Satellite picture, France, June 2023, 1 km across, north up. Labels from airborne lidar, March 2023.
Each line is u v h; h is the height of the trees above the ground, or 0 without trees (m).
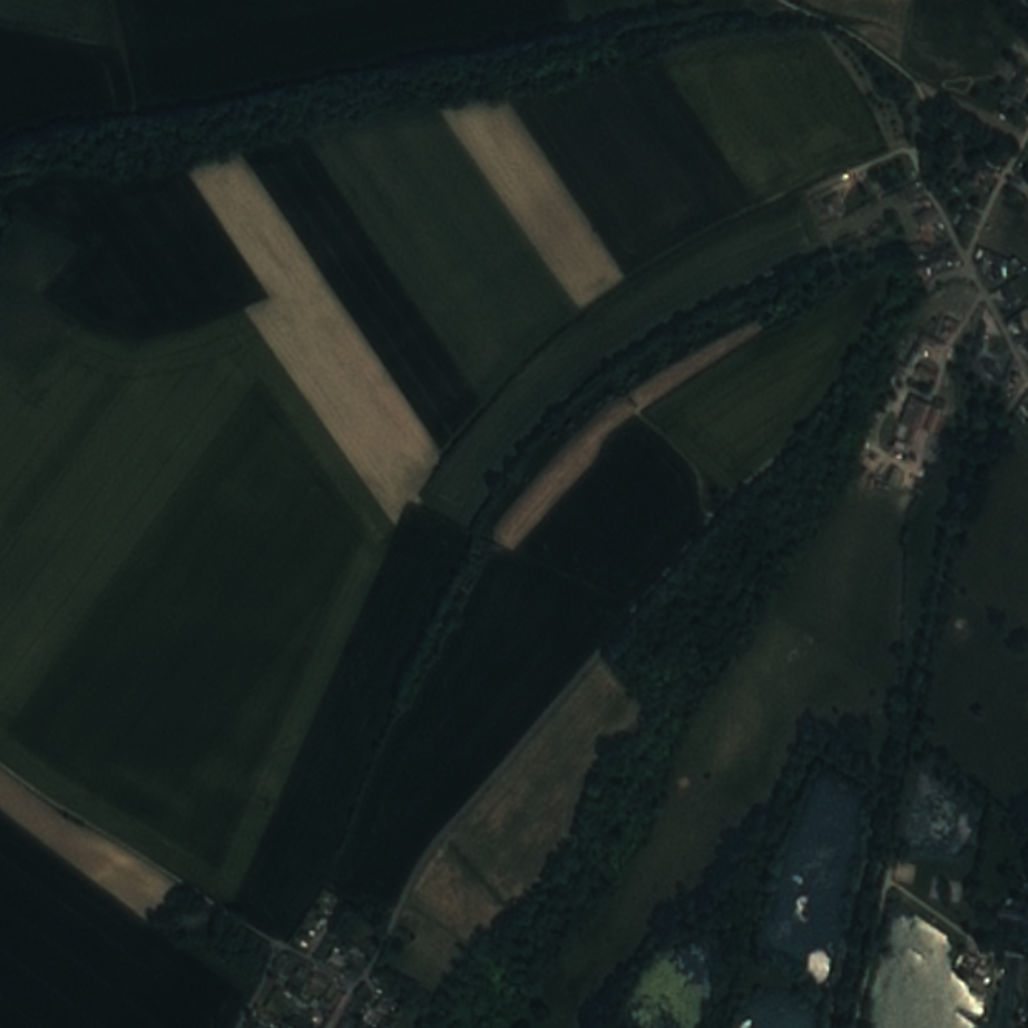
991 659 0
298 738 0
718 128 0
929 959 0
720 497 7
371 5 0
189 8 0
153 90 0
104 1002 0
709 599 12
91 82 0
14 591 0
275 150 0
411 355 0
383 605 0
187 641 0
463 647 0
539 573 0
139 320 0
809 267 15
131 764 0
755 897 30
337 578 0
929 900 0
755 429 0
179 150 21
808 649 0
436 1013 20
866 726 18
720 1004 10
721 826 0
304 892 0
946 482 0
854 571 0
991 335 0
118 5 0
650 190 0
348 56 0
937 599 21
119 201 0
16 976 0
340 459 0
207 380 0
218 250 0
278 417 0
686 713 17
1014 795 0
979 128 20
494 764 0
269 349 0
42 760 0
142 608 0
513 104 0
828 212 0
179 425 0
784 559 17
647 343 7
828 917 0
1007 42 0
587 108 0
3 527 0
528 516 0
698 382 0
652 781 22
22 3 0
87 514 0
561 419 7
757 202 0
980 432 16
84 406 0
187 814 0
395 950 12
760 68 0
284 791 0
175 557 0
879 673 0
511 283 0
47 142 19
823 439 17
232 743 0
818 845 0
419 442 0
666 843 0
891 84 11
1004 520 0
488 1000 20
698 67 0
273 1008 0
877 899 10
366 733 0
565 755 0
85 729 0
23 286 0
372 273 0
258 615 0
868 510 0
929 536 0
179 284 0
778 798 13
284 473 0
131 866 0
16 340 0
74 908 0
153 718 0
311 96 10
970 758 0
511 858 0
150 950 0
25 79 0
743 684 0
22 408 0
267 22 0
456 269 0
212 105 11
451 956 0
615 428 0
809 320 0
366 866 0
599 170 0
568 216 0
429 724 0
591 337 0
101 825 0
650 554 0
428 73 19
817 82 0
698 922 14
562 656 0
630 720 0
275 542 0
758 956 21
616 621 0
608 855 18
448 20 0
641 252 0
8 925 0
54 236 0
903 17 0
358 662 0
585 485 0
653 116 0
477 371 0
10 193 0
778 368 0
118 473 0
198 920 0
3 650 0
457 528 0
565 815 0
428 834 0
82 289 0
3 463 0
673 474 0
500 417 0
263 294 0
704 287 0
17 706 0
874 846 19
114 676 0
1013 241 0
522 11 0
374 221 0
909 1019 0
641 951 9
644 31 10
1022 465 0
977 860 9
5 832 0
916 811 0
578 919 23
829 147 0
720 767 0
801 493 19
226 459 0
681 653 19
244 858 0
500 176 0
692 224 0
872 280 0
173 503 0
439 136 0
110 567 0
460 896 0
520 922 16
